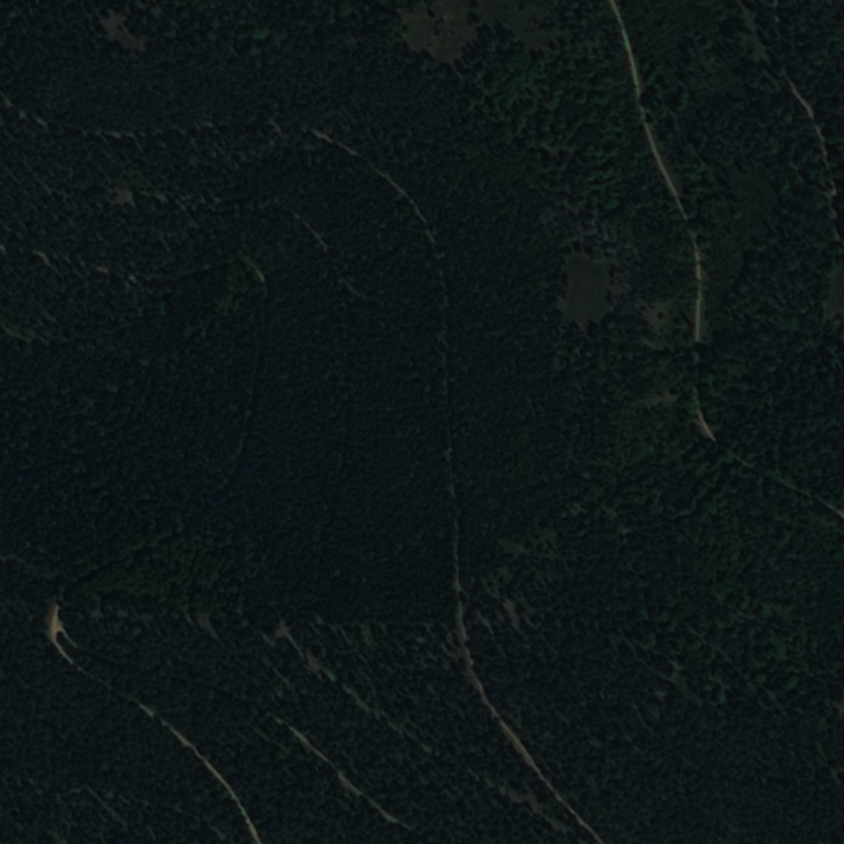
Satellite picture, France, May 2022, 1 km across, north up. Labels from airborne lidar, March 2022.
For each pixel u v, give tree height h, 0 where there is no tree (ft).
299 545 75
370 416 77
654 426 77
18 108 83
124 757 97
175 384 77
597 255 59
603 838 78
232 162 22
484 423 68
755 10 20
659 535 58
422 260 70
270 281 58
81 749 96
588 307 0
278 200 70
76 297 90
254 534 86
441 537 44
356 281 80
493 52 85
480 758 93
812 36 110
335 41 95
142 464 66
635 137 27
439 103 82
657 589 61
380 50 99
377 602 32
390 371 71
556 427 64
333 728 107
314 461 79
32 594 40
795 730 76
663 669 52
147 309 101
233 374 93
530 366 62
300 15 78
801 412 99
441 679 30
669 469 28
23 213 97
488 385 71
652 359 88
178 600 58
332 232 80
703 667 43
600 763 73
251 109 92
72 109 77
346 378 69
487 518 63
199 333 74
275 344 72
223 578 74
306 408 80
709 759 81
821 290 71
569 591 37
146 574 72
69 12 36
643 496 50
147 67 56
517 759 93
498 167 69
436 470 75
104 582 67
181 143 106
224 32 73
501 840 89
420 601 54
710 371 101
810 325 93
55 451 102
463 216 55
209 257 70
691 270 22
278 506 88
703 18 21
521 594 21
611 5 57
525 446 66
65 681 80
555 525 35
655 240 67
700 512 65
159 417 65
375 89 87
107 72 81
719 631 52
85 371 81
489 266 75
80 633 36
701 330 0
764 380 117
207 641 87
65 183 87
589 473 44
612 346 48
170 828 86
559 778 49
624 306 32
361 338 74
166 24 44
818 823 98
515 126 53
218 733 83
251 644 114
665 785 85
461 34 0
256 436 61
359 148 55
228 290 64
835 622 26
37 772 98
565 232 55
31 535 81
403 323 80
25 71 35
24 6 31
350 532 77
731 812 95
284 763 64
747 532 70
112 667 87
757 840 80
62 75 75
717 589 71
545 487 64
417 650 100
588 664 76
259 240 55
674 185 0
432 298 75
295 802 96
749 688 39
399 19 71
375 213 75
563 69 25
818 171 63
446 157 70
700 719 54
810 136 36
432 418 71
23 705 86
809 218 100
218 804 100
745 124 94
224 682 88
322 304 76
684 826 90
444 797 99
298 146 103
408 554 61
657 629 50
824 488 68
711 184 107
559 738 83
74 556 84
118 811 108
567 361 64
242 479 78
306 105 91
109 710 91
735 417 87
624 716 89
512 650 90
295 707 95
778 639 59
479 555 43
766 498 85
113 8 42
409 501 73
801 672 44
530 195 70
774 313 85
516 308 61
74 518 83
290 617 73
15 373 98
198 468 76
